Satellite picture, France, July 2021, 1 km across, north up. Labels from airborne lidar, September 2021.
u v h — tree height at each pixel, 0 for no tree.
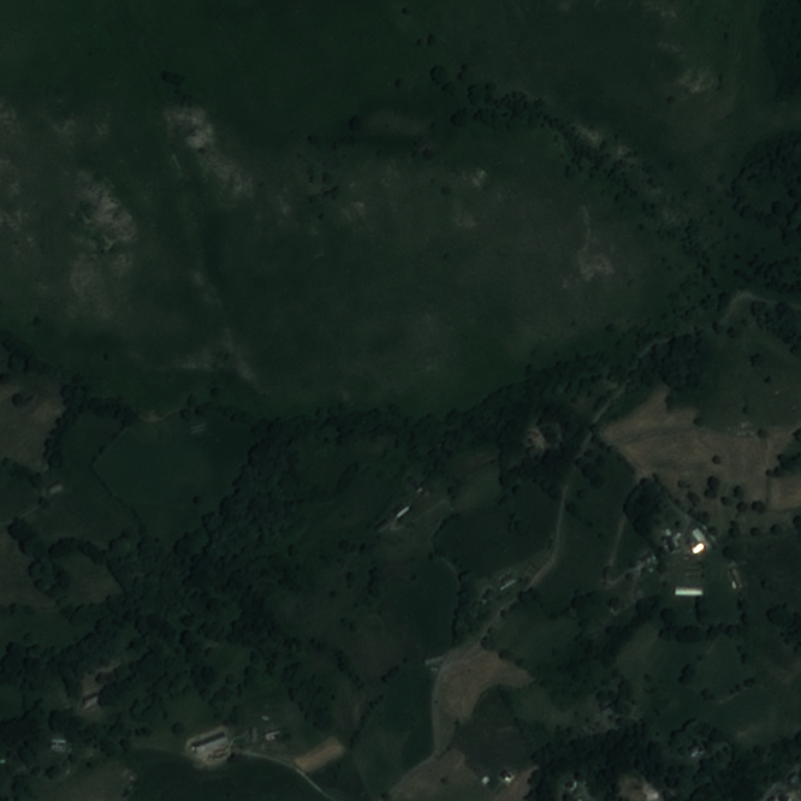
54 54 0
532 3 0
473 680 0
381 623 0
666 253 0
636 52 0
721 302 14
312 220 0
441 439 11
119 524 0
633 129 0
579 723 0
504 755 0
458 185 0
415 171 0
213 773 0
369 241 0
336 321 0
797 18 10
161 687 19
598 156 10
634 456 0
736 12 0
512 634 0
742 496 16
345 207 0
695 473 0
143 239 0
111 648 30
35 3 0
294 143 0
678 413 0
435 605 0
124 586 15
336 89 0
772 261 0
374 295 0
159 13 0
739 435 0
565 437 10
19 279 0
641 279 0
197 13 0
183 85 14
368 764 0
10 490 0
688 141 0
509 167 0
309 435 18
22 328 0
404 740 0
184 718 0
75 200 0
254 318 0
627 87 0
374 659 0
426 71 0
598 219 0
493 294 0
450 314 0
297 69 0
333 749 0
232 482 0
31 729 24
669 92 0
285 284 0
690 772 16
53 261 0
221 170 0
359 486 0
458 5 0
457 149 0
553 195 0
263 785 0
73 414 17
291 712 0
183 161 0
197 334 0
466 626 13
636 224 0
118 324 0
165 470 0
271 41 0
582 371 13
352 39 0
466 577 15
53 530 0
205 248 0
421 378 0
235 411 10
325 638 0
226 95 0
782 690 0
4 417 0
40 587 17
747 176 19
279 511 24
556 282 0
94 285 0
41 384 0
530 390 12
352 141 12
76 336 0
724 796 16
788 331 20
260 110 0
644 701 0
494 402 12
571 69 0
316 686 16
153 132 0
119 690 25
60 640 0
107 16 0
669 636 19
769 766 10
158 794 0
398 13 0
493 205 0
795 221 21
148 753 0
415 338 0
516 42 0
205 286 0
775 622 19
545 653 0
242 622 9
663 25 0
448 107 0
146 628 20
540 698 0
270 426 11
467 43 0
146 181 0
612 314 0
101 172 0
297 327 0
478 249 0
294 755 0
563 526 0
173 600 19
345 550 12
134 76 0
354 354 0
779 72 6
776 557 0
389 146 0
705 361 21
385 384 0
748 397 0
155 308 0
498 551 0
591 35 0
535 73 0
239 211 0
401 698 0
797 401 0
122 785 0
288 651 7
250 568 20
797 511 0
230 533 19
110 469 0
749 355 0
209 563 26
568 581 0
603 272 0
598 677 0
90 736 22
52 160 0
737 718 0
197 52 0
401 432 16
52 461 15
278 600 0
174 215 0
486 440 14
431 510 0
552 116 8
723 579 0
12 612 13
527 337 0
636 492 11
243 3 0
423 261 0
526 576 0
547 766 14
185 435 0
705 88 0
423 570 0
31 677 21
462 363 0
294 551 15
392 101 0
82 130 0
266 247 0
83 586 0
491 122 20
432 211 0
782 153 26
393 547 0
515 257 0
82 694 15
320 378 0
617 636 9
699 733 21
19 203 0
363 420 18
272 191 0
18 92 0
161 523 0
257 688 14
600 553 0
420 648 0
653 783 15
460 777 0
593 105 0
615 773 14
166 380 0
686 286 12
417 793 0
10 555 0
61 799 0
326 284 0
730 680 0
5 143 0
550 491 9
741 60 0
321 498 10
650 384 18
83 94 0
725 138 0
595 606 18
